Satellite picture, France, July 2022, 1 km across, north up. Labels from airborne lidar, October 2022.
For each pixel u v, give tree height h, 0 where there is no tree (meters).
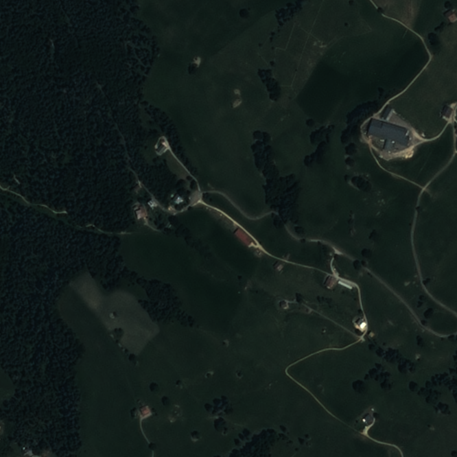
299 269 0
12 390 0
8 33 27
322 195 0
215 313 0
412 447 0
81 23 28
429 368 0
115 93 22
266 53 0
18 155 18
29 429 10
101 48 23
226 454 0
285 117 0
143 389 0
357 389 19
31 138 15
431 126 0
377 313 0
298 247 0
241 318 0
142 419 0
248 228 0
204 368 0
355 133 20
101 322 0
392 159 0
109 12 23
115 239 10
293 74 0
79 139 19
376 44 0
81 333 0
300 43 0
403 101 0
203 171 0
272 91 20
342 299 0
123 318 0
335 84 0
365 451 0
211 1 0
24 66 30
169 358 0
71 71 23
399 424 0
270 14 0
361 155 0
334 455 0
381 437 0
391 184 0
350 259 0
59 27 19
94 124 31
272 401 0
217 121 0
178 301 22
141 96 18
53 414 21
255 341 0
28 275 33
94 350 0
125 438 0
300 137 0
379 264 0
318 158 21
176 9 0
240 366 0
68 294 0
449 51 0
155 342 0
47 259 33
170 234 11
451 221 0
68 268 32
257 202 0
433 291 0
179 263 0
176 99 0
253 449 21
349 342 0
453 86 0
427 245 0
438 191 0
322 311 0
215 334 0
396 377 0
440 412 19
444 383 16
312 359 0
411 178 0
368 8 0
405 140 0
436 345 0
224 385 0
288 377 0
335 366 0
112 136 28
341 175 0
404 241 0
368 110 25
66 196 25
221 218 0
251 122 0
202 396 0
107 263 25
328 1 0
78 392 28
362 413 0
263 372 0
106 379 0
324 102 0
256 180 0
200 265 0
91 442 0
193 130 0
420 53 0
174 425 0
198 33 0
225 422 27
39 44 31
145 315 0
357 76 0
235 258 0
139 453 0
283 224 13
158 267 0
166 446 0
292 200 25
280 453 0
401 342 0
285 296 0
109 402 0
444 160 0
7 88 22
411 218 0
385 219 0
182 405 0
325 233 0
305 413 0
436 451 0
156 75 0
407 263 0
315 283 0
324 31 0
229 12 0
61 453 28
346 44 0
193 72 19
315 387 0
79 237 26
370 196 0
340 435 0
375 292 0
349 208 0
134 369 0
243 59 0
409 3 0
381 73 0
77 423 20
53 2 27
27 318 27
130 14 27
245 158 0
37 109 26
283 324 0
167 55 0
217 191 0
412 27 0
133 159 19
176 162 0
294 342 0
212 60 0
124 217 21
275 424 0
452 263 0
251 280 0
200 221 0
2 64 30
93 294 0
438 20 0
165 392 0
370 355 0
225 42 0
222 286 0
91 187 35
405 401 0
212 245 0
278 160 0
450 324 0
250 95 0
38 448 11
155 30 0
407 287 0
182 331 0
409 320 0
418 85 0
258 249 0
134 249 0
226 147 0
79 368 0
